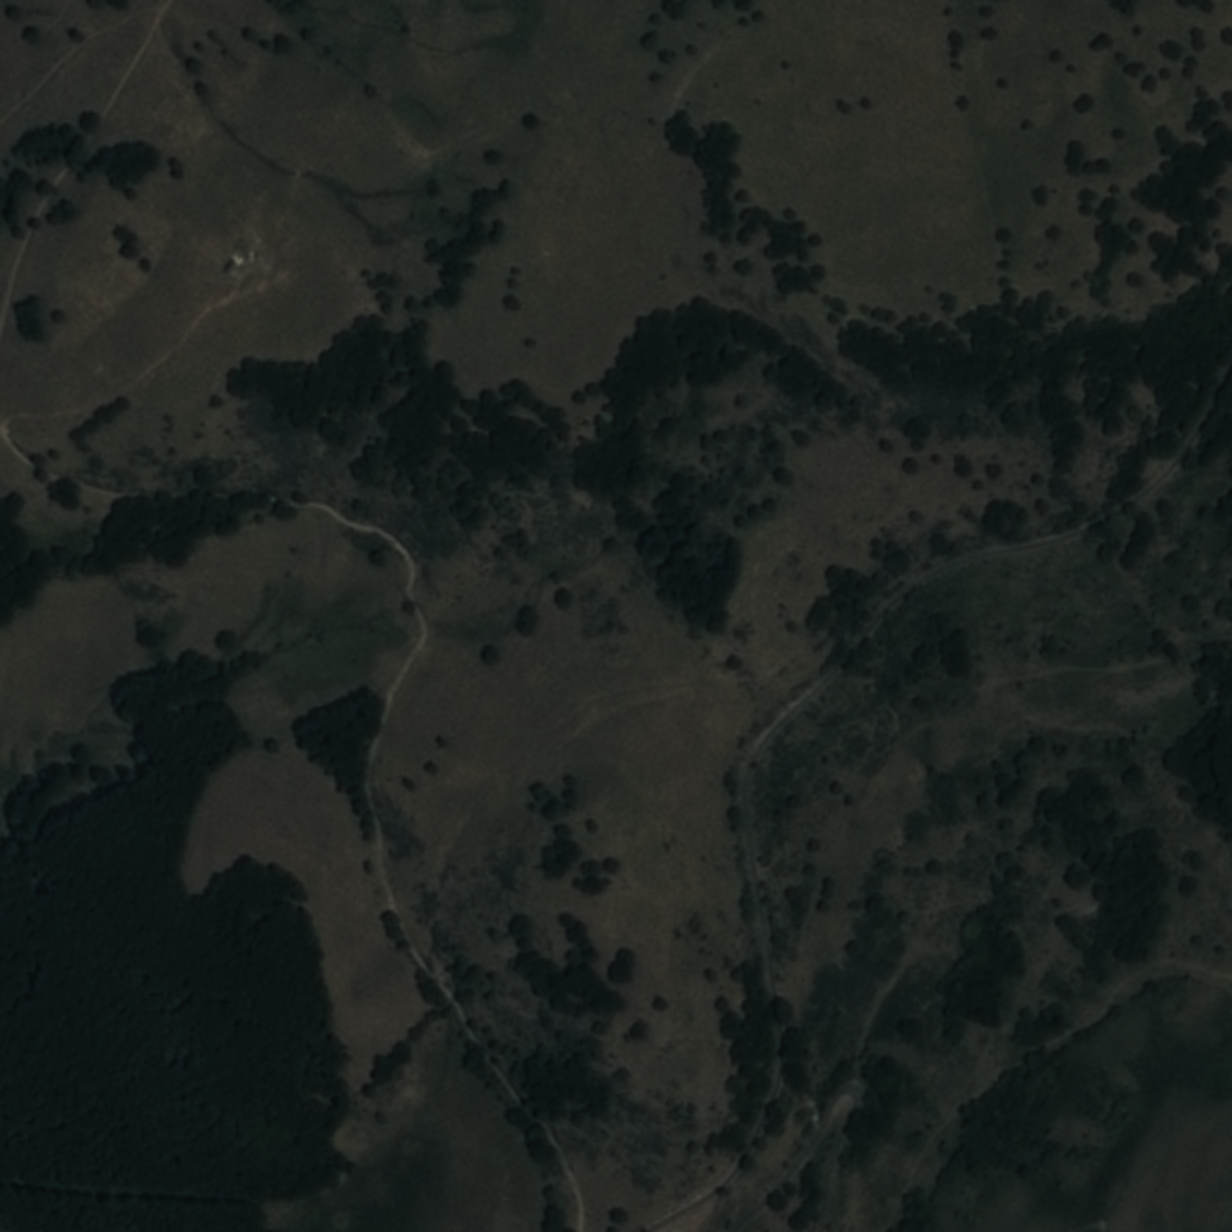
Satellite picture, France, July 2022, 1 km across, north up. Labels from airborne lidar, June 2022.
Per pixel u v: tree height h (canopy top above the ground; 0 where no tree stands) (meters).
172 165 8
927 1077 0
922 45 0
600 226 0
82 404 0
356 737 16
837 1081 11
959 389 11
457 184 0
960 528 0
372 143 0
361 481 12
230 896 13
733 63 0
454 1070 0
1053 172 0
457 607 0
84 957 22
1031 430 0
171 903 14
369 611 0
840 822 0
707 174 7
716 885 0
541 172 0
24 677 0
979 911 6
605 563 0
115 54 0
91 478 0
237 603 0
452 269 12
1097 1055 0
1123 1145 0
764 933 0
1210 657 12
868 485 0
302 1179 15
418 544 0
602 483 15
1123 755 13
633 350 13
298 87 0
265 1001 17
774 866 0
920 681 8
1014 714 0
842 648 8
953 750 0
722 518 0
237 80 0
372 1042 0
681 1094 0
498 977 8
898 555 10
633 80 0
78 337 0
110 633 0
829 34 0
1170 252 12
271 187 0
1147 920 14
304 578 0
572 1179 0
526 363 0
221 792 0
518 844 0
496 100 0
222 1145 16
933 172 0
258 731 0
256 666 8
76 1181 21
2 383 0
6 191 11
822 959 0
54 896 25
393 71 0
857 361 9
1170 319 9
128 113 0
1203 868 10
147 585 0
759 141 0
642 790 0
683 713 0
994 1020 9
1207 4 8
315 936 12
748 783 0
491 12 0
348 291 0
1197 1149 0
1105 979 9
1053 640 8
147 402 0
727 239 8
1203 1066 0
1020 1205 0
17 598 20
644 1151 0
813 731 0
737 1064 7
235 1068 16
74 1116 17
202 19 0
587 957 11
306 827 0
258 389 9
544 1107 11
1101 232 9
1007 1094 9
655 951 0
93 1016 19
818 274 8
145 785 15
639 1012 0
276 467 0
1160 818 0
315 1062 17
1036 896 0
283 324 0
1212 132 10
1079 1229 0
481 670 0
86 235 0
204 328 0
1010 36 0
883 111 0
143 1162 18
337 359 12
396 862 0
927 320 7
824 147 0
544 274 0
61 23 0
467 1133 0
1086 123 0
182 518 15
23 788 12
